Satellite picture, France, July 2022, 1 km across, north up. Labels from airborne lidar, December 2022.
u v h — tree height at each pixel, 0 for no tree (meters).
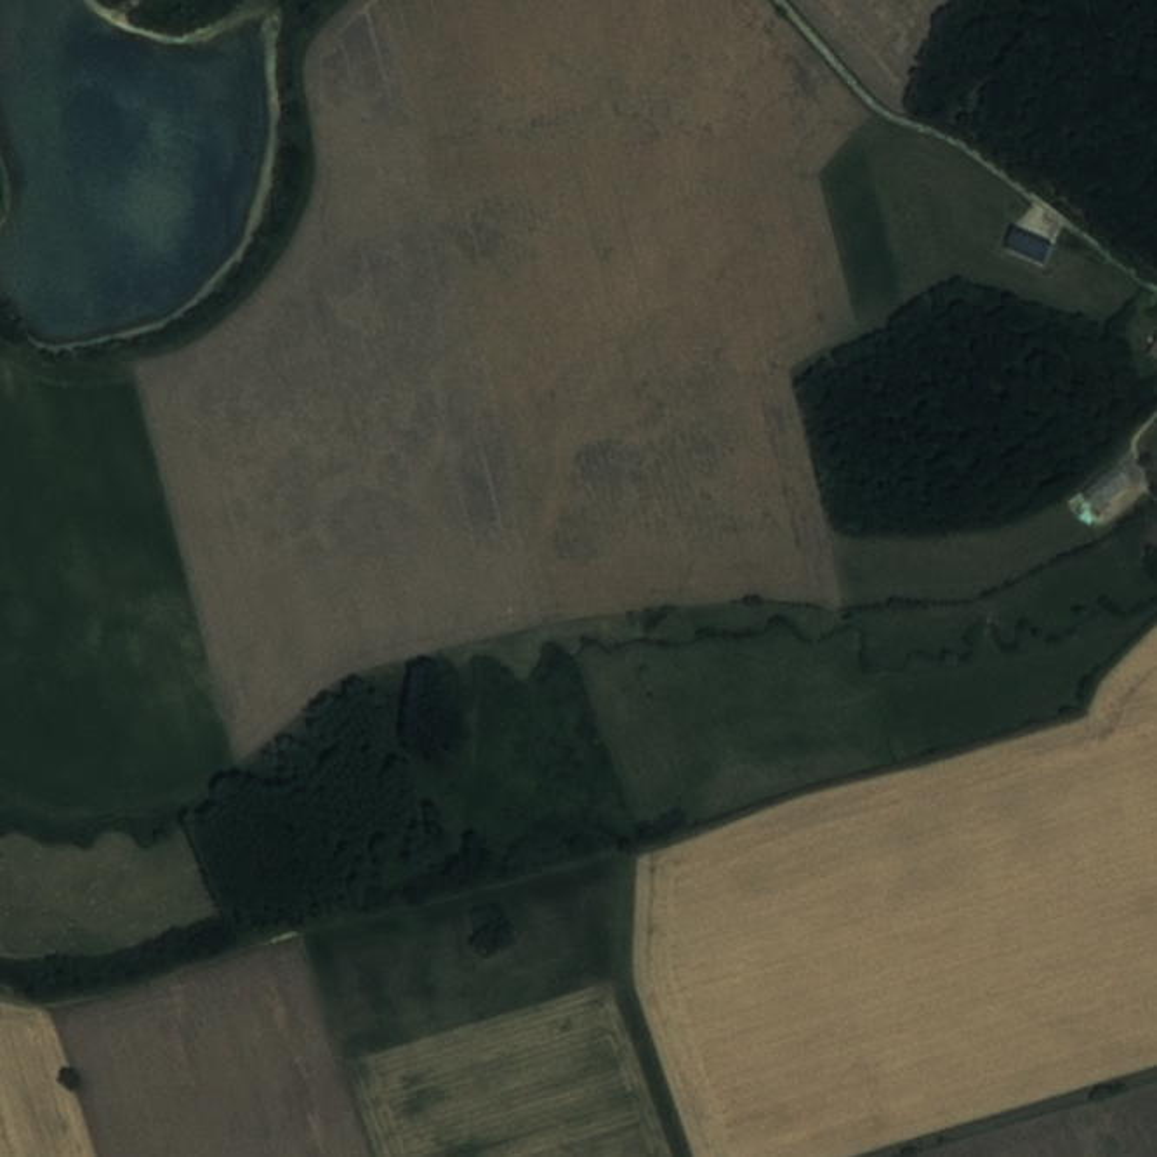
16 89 0
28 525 0
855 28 0
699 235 0
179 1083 0
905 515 17
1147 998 0
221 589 0
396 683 0
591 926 0
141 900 0
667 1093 0
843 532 14
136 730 0
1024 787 0
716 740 0
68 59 0
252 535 0
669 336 0
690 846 0
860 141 0
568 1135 0
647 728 0
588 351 0
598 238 0
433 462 0
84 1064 0
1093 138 16
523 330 0
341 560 0
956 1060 0
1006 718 0
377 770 29
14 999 0
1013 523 7
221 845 29
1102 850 0
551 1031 0
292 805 32
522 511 0
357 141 0
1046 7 21
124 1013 0
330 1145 0
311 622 0
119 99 0
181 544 0
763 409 0
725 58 0
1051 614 0
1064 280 0
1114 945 0
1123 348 17
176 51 0
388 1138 0
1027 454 24
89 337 0
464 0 0
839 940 0
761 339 0
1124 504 0
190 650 0
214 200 0
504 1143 0
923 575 0
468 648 0
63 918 0
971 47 22
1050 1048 0
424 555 0
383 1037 0
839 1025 0
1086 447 20
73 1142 0
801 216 0
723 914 0
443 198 0
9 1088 0
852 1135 0
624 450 0
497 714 0
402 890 6
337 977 0
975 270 0
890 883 0
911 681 0
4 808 0
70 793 0
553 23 0
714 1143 0
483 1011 0
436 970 0
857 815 0
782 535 0
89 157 0
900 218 0
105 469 0
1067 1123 0
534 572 0
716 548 0
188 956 6
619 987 0
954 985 0
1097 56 20
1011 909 0
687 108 0
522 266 0
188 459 0
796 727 0
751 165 0
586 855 7
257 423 0
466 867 29
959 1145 0
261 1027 0
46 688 0
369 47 0
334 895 23
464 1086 0
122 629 0
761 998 0
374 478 0
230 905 24
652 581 0
